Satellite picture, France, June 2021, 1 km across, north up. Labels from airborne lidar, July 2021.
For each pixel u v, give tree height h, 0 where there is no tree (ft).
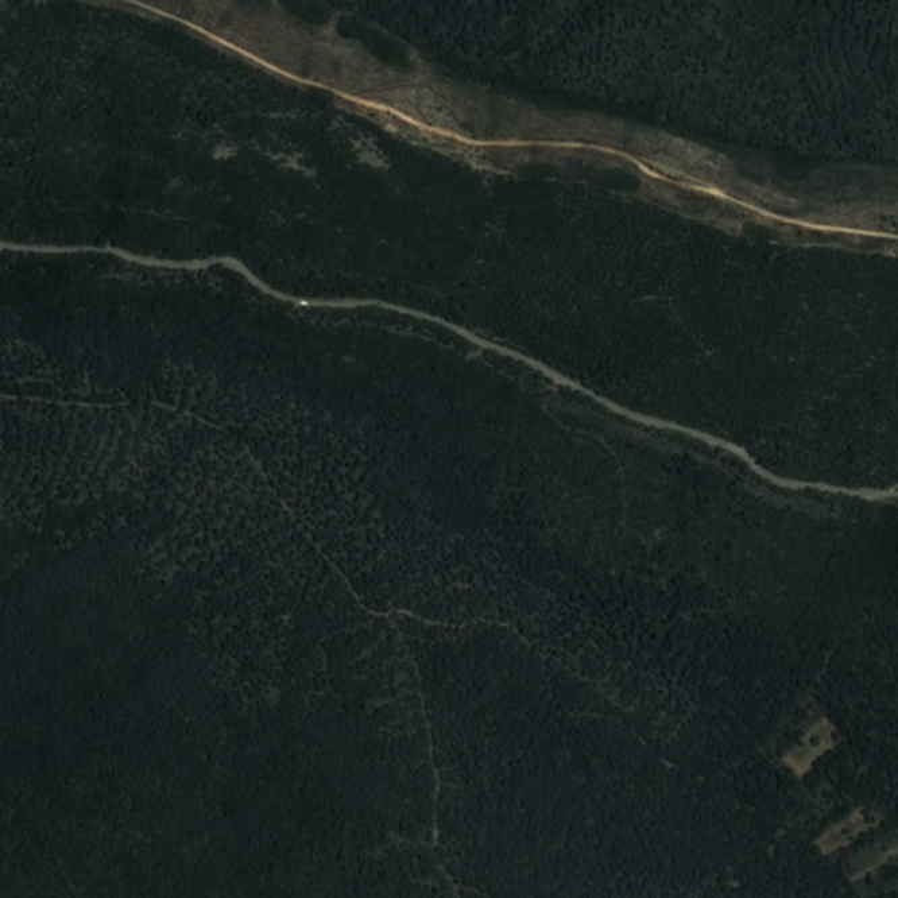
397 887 18
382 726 34
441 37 30
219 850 19
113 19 21
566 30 38
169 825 22
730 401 28
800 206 0
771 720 36
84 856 21
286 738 30
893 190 0
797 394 17
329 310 27
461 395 22
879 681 25
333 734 26
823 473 20
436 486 31
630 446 39
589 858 27
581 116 0
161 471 30
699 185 0
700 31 28
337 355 17
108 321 26
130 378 23
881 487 22
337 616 35
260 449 36
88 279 25
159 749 30
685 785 27
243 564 33
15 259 29
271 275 40
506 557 41
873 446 24
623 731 24
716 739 33
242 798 31
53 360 40
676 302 21
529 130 0
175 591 23
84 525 60
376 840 24
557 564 32
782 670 26
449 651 24
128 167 24
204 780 29
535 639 22
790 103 32
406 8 33
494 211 30
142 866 21
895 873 19
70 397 34
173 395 44
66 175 20
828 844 0
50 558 32
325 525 40
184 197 20
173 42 26
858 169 0
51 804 21
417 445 26
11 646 24
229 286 39
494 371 19
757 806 39
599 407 23
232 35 0
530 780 46
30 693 28
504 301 18
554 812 37
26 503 35
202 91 19
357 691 22
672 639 64
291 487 36
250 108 18
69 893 19
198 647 35
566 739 24
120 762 20
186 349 32
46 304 26
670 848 40
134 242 24
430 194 23
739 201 0
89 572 22
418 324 27
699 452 23
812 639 27
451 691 29
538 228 24
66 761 33
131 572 18
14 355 33
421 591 38
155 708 33
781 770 23
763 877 37
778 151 28
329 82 0
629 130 0
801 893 36
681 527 37
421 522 37
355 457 50
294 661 19
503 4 33
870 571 22
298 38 0
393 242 19
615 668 26
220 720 21
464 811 21
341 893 20
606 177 0
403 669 33
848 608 18
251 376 35
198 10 0
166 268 21
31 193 39
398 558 40
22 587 26
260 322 44
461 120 0
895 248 0
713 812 25
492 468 23
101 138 22
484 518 41
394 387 26
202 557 32
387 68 0
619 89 24
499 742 41
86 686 31
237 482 30
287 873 24
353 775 28
